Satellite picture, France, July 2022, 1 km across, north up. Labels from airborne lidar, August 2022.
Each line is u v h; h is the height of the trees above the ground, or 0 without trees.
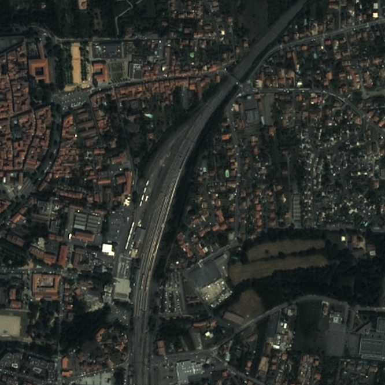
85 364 0
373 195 15
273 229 14
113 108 13
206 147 12
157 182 0
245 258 18
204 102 10
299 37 9
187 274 0
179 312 0
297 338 0
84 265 0
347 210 6
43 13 13
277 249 0
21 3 0
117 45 0
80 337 20
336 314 0
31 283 0
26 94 0
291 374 7
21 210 0
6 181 0
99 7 8
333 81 14
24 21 9
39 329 23
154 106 6
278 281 13
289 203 0
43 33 0
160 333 7
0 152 0
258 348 6
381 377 5
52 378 0
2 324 0
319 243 0
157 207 0
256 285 13
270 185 8
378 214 7
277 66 7
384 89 0
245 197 7
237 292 11
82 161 5
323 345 0
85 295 0
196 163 7
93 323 12
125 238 0
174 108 8
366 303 13
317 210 0
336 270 15
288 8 7
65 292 0
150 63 11
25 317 0
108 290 0
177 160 0
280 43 10
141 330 0
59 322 14
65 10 6
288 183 0
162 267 9
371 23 0
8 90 0
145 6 8
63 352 12
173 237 6
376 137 0
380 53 6
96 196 0
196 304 8
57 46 13
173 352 0
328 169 12
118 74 0
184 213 11
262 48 0
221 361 0
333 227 0
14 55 0
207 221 0
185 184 7
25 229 8
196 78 0
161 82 0
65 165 0
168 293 0
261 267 0
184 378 0
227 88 0
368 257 8
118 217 0
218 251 0
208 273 0
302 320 0
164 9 8
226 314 0
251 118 0
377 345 0
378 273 23
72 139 0
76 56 0
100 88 0
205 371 0
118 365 0
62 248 0
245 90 0
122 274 0
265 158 9
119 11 0
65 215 6
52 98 0
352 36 0
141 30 11
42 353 16
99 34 5
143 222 0
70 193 0
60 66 10
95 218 0
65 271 0
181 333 7
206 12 8
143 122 7
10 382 0
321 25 0
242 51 0
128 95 0
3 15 14
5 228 13
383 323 0
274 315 0
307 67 0
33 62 0
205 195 0
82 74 8
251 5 0
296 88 0
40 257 0
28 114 0
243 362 11
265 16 0
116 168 0
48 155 13
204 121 0
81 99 0
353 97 0
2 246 11
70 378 0
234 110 0
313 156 0
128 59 0
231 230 11
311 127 0
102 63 0
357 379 7
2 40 0
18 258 14
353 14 0
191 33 8
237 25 5
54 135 13
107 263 0
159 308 10
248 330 0
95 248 13
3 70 13
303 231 18
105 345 11
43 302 19
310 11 13
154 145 7
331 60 7
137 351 0
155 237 0
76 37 6
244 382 16
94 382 0
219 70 0
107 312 15
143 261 0
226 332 0
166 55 0
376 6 0
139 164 8
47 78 0
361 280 11
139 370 0
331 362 7
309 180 8
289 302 11
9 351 0
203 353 0
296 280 8
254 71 0
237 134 0
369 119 0
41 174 13
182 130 0
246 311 0
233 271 0
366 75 0
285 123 0
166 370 0
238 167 0
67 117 0
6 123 0
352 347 0
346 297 12
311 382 0
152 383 0
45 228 14
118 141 7
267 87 6
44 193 13
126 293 0
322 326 0
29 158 0
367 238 17
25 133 0
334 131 7
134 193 11
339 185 11
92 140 0
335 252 10
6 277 0
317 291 16
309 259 0
